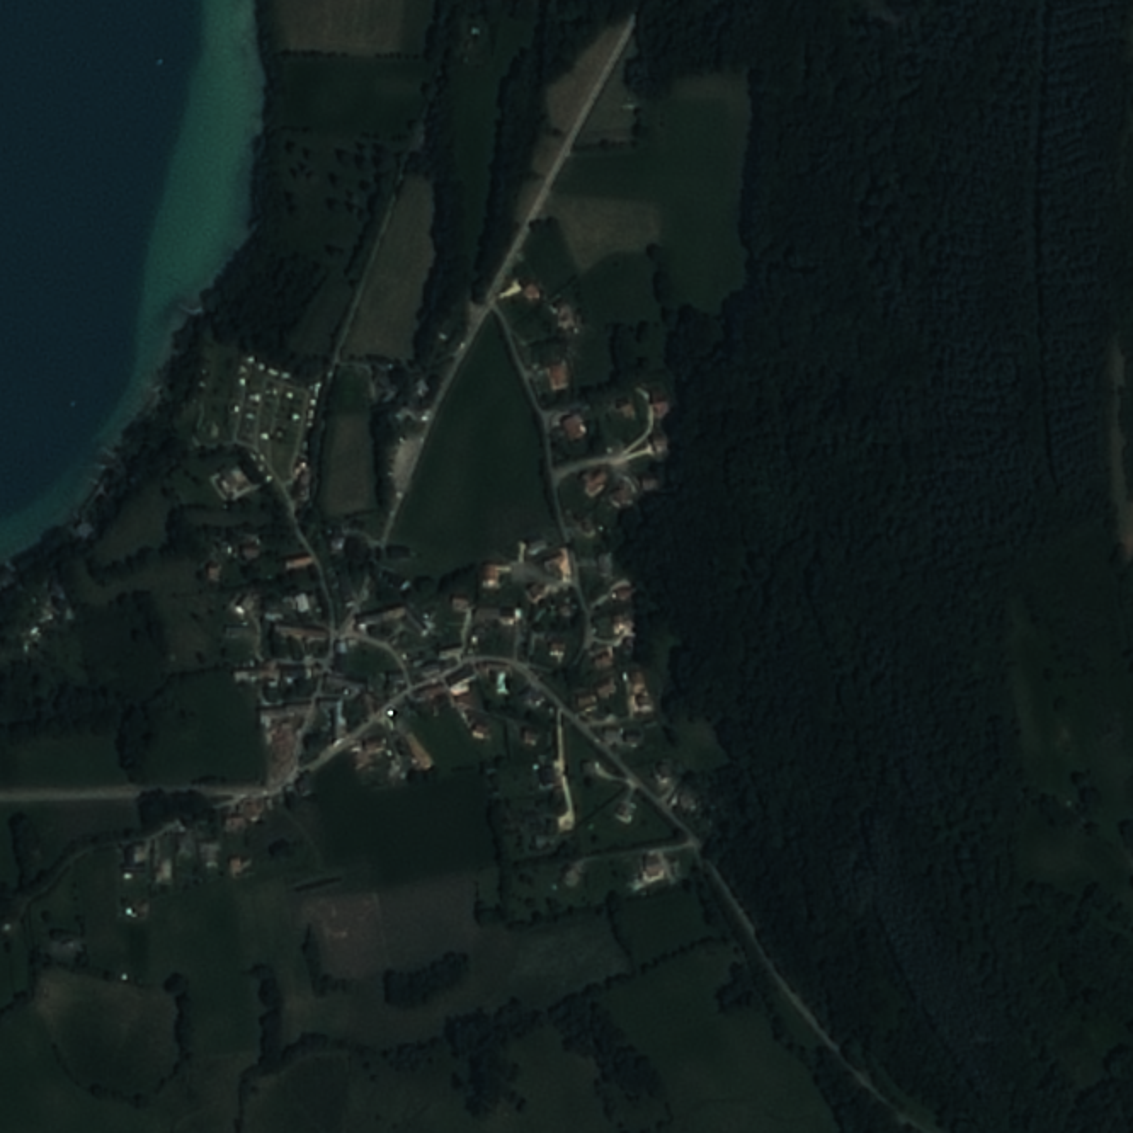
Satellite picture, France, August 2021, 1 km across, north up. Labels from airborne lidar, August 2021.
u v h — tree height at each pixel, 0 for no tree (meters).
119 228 0
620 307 0
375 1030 0
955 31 14
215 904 0
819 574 22
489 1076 33
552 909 7
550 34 19
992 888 12
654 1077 17
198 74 0
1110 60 16
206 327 17
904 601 18
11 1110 0
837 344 31
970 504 16
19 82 0
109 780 0
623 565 7
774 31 25
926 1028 6
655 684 0
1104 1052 0
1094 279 20
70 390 0
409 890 0
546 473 7
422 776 12
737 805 6
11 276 0
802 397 12
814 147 19
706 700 22
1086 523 7
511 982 0
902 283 22
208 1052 0
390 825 0
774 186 22
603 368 0
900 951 21
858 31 18
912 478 14
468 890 0
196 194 0
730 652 26
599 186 0
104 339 0
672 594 26
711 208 0
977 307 15
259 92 0
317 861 0
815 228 26
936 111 20
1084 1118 16
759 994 8
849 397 20
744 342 26
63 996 0
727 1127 0
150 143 0
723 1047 0
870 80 16
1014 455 17
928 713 17
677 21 12
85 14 0
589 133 0
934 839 15
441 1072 0
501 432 0
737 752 26
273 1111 0
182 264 0
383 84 0
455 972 14
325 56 8
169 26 0
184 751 0
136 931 0
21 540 0
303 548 6
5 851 0
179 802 13
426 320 11
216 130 0
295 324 9
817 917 25
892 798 18
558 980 0
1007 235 18
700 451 28
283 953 0
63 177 0
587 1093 0
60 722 14
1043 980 15
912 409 29
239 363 0
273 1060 13
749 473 12
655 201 0
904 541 17
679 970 0
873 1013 6
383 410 12
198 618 11
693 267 0
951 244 20
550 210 0
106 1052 0
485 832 0
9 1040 0
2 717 6
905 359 26
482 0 8
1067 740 0
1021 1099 21
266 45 14
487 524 0
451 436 0
